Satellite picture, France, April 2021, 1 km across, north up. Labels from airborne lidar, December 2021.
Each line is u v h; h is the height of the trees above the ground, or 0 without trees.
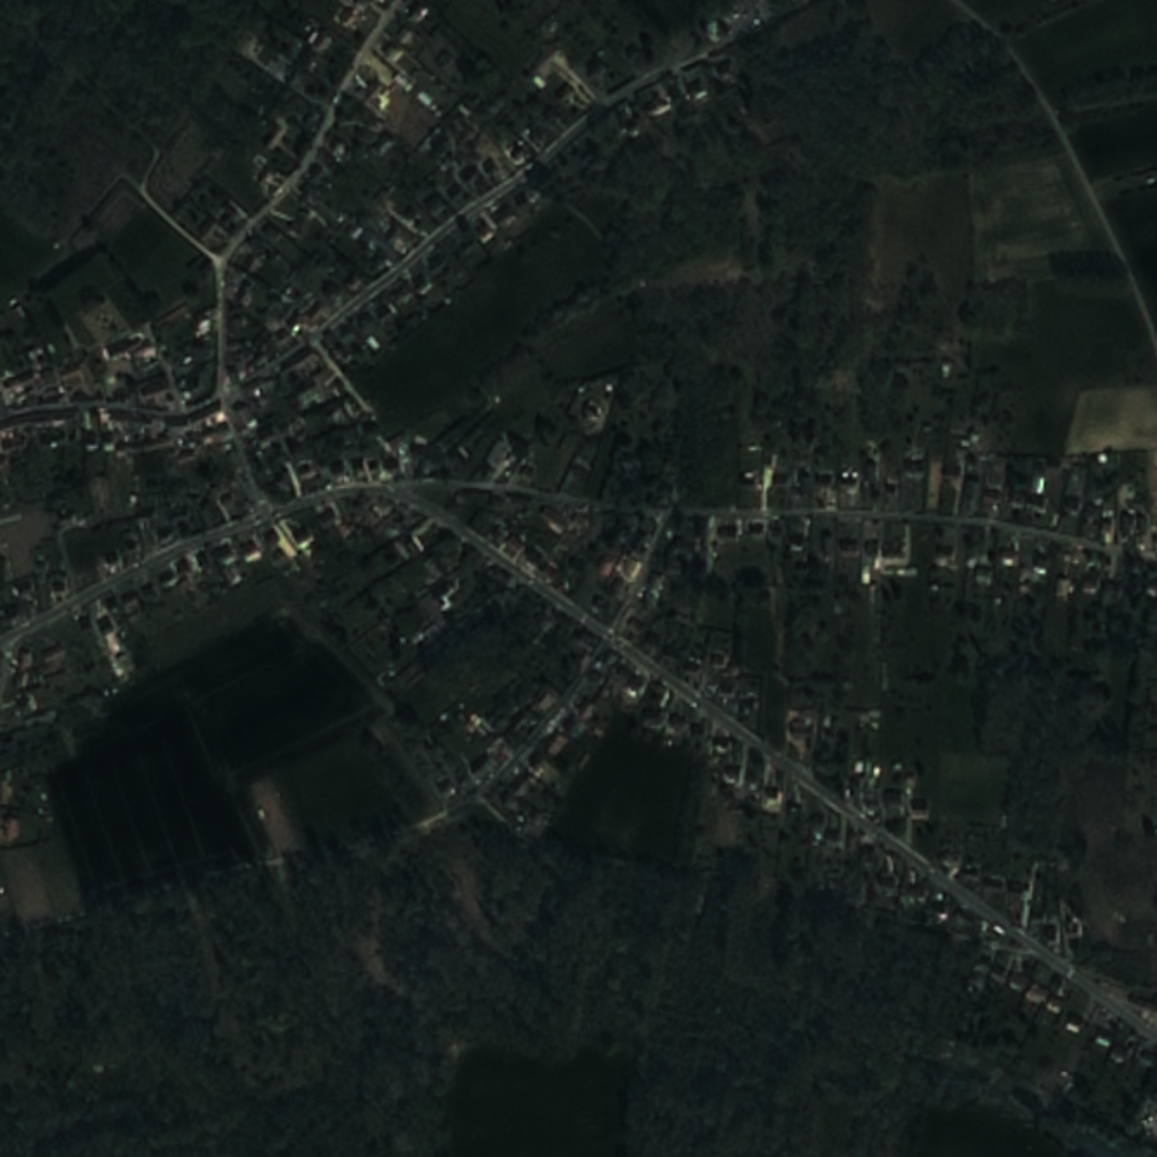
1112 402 0
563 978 38
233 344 0
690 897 19
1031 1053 0
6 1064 19
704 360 15
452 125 9
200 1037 33
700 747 6
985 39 20
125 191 0
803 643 22
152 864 0
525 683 9
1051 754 20
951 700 0
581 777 0
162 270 0
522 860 37
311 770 0
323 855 35
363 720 0
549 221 0
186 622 0
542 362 5
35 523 0
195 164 0
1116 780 0
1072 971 0
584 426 0
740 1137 31
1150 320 0
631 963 10
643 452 13
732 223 22
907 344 9
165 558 0
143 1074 20
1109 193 0
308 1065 8
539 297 0
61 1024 21
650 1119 29
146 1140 34
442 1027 25
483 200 0
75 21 27
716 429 18
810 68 20
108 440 0
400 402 0
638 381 16
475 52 6
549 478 0
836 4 8
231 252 0
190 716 0
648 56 14
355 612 0
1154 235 0
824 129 16
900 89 19
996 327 17
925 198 0
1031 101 22
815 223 18
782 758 0
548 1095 0
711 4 15
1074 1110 35
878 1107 24
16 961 31
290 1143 13
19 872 0
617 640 0
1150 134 0
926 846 0
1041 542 0
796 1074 41
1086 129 0
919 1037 8
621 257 17
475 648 24
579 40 7
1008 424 7
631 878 7
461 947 33
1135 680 15
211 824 0
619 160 14
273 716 0
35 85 28
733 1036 8
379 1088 37
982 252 0
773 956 35
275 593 0
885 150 19
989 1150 0
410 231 0
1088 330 0
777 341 9
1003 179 0
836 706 10
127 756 0
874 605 0
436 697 0
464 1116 0
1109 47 0
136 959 28
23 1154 17
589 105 0
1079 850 7
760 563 0
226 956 7
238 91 0
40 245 0
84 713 0
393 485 0
